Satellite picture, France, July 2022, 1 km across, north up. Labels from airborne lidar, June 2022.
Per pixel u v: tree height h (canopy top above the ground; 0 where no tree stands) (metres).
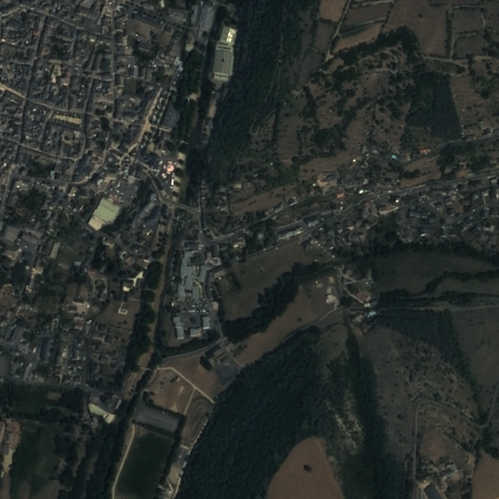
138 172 0
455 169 6
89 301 8
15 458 15
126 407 17
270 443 13
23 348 0
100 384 30
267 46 10
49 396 0
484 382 0
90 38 0
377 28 0
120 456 18
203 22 0
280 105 12
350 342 9
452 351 13
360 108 12
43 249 11
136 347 22
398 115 11
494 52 8
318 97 8
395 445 0
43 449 0
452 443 0
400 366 0
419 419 0
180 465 0
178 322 0
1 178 0
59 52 6
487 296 7
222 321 13
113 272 30
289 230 0
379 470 20
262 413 11
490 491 0
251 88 11
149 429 11
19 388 6
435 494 0
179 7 6
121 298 16
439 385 0
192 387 0
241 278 0
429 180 7
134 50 6
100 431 11
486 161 9
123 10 10
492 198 0
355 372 11
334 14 0
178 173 20
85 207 9
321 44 0
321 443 0
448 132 15
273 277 0
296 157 10
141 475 0
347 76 9
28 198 13
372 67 12
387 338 0
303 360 14
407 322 23
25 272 20
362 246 6
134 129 0
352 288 21
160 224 8
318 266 22
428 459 0
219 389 0
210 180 9
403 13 0
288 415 18
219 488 16
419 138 0
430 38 0
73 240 0
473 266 0
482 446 10
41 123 0
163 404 0
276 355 20
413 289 0
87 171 0
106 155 0
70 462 20
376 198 0
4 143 0
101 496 20
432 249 17
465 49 0
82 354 0
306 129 10
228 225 13
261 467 15
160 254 16
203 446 15
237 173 7
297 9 6
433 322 20
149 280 21
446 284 0
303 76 0
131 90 0
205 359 16
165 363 0
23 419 16
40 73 0
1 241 8
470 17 0
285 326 0
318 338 6
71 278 7
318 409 18
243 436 10
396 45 13
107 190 0
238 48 12
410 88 9
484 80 6
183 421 9
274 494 0
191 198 21
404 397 0
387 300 7
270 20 11
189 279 0
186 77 11
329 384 9
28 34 0
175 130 20
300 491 0
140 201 11
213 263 0
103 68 25
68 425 22
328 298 0
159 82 10
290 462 0
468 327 0
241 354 0
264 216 13
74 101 0
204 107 24
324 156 12
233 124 11
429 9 0
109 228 6
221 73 0
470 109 8
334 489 0
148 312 23
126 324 6
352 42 0
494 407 0
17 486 0
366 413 16
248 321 22
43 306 0
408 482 8
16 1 0
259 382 10
